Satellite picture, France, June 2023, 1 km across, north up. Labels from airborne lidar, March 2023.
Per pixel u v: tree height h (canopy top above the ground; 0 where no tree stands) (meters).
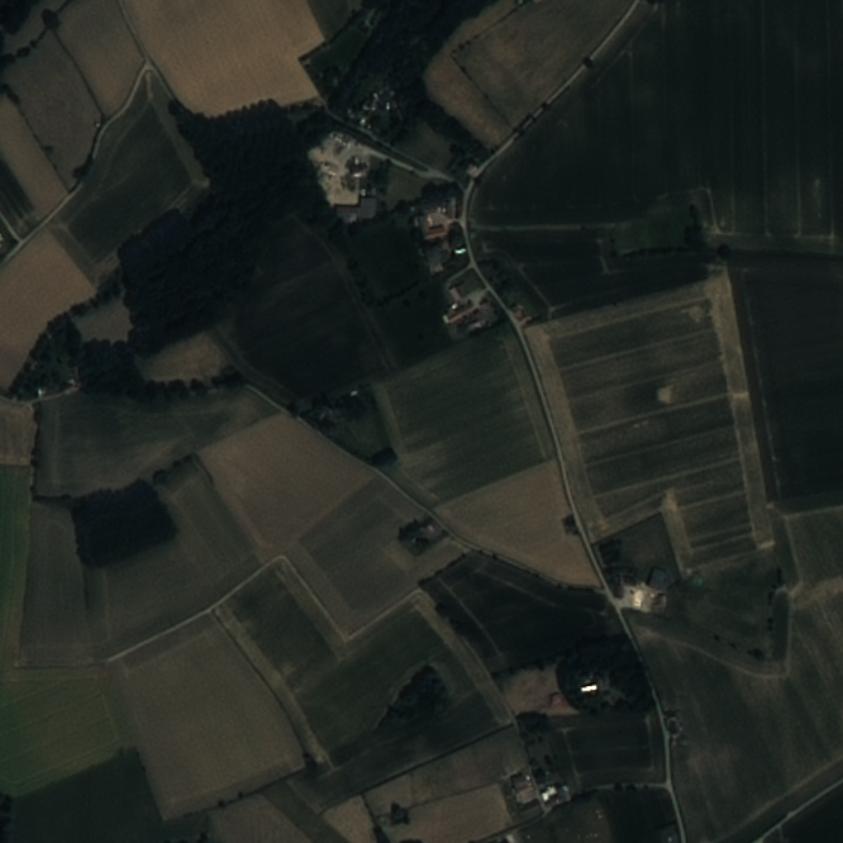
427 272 0
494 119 0
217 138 31
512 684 0
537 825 0
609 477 0
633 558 0
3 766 0
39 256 0
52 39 0
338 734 0
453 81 0
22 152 0
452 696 0
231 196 22
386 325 0
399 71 24
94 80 0
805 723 0
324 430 14
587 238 0
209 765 0
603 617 0
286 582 0
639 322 0
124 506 32
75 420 0
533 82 0
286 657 0
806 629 0
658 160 0
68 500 8
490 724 0
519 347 0
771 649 0
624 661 16
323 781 0
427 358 0
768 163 0
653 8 0
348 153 0
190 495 0
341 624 0
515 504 0
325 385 0
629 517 0
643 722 0
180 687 0
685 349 0
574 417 0
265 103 0
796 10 0
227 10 0
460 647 0
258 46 0
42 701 0
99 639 0
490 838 0
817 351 0
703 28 0
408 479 0
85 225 0
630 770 0
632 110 0
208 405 0
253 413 0
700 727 0
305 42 0
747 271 0
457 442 0
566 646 0
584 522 0
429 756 0
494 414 0
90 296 0
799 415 0
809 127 0
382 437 0
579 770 0
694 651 0
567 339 0
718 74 0
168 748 0
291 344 0
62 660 0
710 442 0
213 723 0
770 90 0
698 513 0
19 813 0
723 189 0
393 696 0
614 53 0
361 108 6
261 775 0
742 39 0
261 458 0
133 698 0
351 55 0
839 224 0
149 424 0
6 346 0
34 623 0
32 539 0
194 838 0
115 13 0
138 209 0
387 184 0
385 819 0
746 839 0
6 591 0
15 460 0
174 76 0
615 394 0
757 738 0
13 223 0
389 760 0
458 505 0
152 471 0
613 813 0
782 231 0
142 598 0
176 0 0
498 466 0
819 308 0
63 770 0
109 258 0
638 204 0
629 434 0
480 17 0
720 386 0
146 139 0
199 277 26
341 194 0
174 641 0
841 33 0
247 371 0
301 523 0
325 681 0
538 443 0
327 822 0
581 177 0
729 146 0
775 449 0
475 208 0
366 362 0
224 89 0
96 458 0
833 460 0
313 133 17
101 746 0
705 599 0
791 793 0
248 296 0
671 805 0
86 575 0
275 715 0
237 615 0
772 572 0
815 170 0
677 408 0
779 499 0
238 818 0
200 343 0
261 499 0
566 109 0
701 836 0
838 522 0
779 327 0
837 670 0
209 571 0
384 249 0
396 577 0
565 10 0
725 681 0
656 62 0
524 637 0
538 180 0
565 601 0
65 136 0
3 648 0
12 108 0
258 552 0
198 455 0
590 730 0
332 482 0
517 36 0
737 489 0
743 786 0
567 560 0
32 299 0
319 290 0
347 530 0
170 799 0
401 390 0
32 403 0
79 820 0
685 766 0
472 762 0
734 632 0
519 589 0
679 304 0
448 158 0
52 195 0
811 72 0
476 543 0
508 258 0
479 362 0
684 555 0
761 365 0
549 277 0
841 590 0
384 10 13
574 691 12
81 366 15
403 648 0
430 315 0
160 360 0
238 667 0
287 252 0
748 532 0
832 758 0
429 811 0
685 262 0
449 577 0
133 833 0
